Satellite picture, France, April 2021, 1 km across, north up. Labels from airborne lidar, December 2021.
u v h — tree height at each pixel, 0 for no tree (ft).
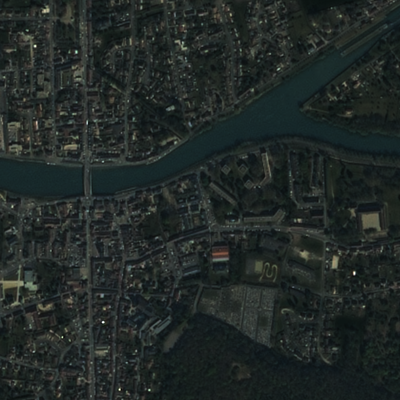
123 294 21
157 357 29
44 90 0
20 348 31
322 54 56
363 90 0
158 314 0
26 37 0
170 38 0
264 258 0
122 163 0
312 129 0
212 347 70
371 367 70
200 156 0
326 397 64
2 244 49
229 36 0
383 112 0
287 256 0
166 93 0
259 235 37
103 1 31
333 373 68
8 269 0
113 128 0
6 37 0
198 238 0
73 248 0
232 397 73
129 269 0
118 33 0
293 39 0
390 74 31
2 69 0
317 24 0
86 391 0
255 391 65
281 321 0
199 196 0
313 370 88
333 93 26
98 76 0
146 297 0
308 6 0
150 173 0
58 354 0
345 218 0
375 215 0
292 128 0
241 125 0
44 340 0
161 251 0
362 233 37
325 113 0
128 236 0
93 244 0
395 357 30
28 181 0
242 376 0
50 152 0
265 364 74
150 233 0
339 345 19
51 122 0
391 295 26
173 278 47
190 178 0
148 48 0
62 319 22
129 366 18
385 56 32
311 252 0
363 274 44
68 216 0
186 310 65
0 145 0
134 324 0
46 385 26
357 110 0
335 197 0
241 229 0
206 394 61
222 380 59
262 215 0
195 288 21
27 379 23
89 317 0
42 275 0
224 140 0
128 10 19
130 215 0
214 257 0
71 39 23
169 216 111
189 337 61
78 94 35
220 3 0
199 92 0
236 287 0
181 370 60
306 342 0
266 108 0
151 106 25
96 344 0
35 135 0
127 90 0
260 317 0
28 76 23
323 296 0
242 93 0
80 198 0
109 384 0
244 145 41
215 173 87
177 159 0
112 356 0
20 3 0
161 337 22
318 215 0
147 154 0
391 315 45
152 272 74
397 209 0
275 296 0
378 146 0
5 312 0
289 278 0
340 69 0
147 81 0
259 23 0
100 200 0
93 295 0
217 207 114
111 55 0
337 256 0
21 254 0
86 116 0
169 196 0
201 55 26
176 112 34
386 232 0
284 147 73
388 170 51
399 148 0
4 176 0
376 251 0
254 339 0
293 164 0
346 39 0
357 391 71
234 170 0
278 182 81
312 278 0
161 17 27
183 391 60
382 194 66
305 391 45
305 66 22
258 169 93
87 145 0
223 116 34
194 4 20
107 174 0
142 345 29
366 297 35
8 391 20
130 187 0
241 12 0
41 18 0
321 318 0
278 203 41
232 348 73
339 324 0
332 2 0
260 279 0
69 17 0
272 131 0
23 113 0
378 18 0
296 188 0
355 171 0
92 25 41
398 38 43
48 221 0
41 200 0
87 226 0
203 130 33
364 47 0
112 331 0
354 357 79
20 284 0
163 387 26
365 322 36
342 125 20
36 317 0
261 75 29
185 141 0
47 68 0
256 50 0
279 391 36
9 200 0
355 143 0
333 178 0
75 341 0
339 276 0
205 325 79
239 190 70
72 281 0
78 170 0
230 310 0
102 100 0
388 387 47
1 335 68
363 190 75
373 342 58
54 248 0
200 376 49
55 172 0
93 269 0
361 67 57
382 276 0
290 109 0
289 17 28
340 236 55
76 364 0
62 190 0
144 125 75
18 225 0
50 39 0
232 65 0
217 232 0
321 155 36
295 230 0
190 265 0
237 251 36
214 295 0
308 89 0
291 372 78
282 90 0
